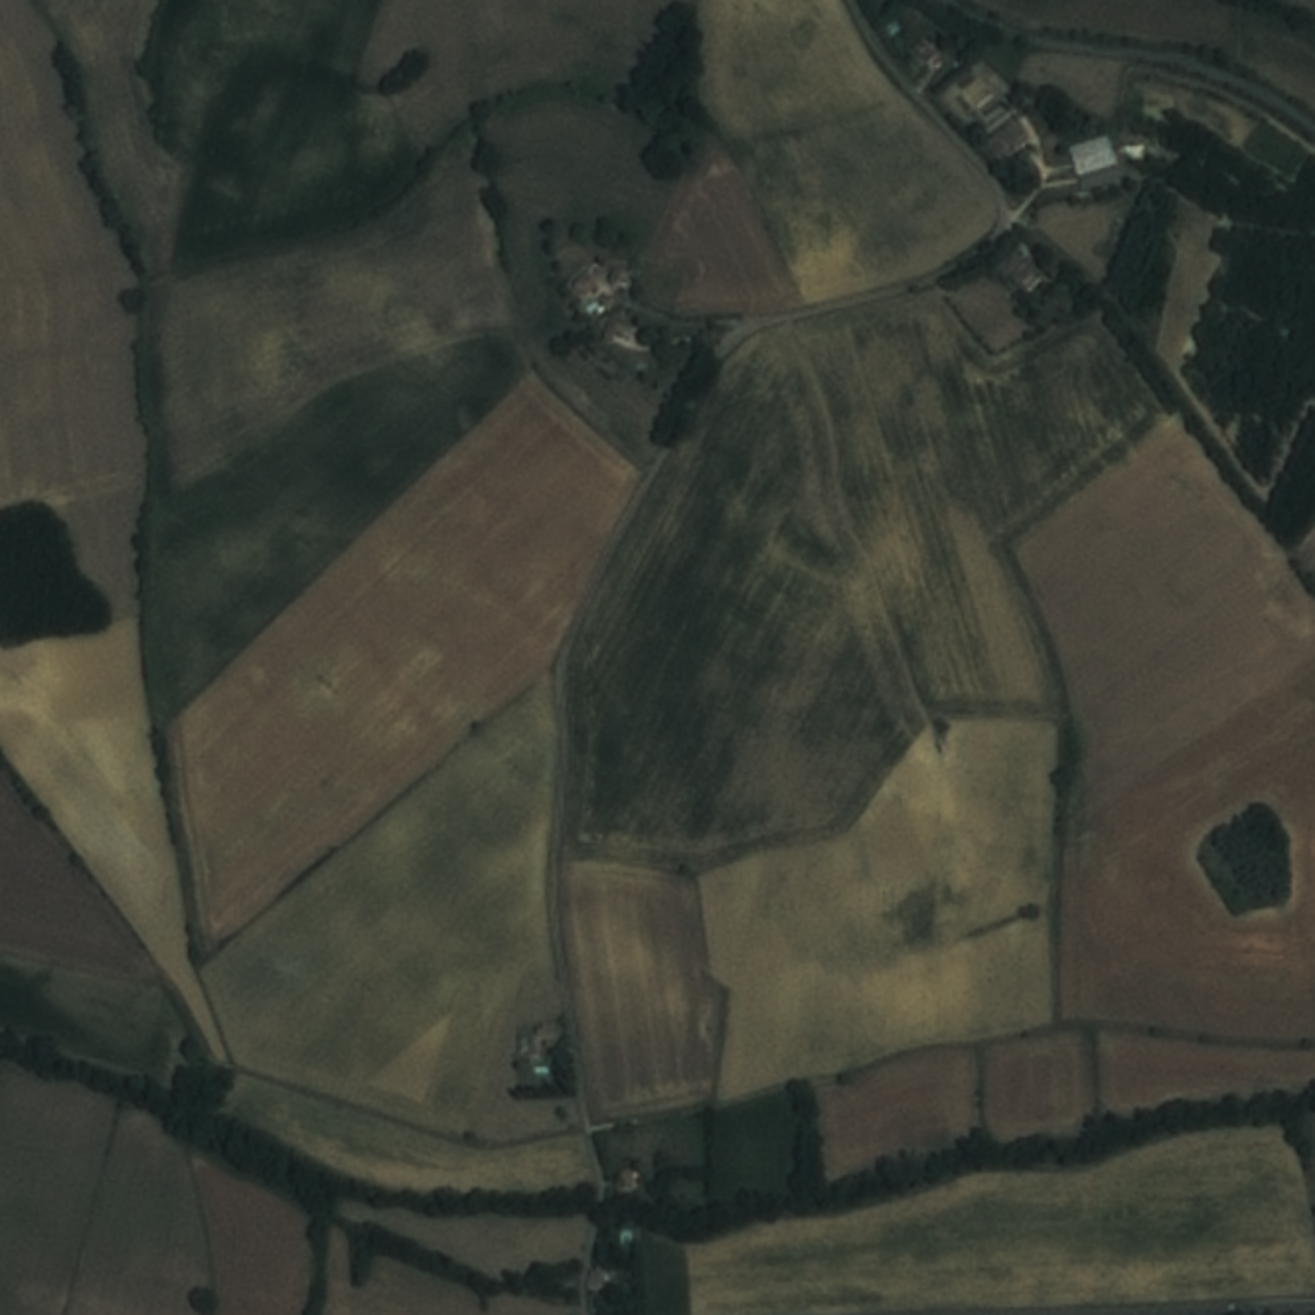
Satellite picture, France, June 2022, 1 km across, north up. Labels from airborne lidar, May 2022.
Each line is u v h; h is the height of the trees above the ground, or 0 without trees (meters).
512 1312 0
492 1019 0
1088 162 0
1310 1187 0
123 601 0
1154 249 13
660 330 8
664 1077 0
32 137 0
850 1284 0
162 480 0
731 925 0
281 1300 0
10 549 15
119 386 0
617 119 0
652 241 0
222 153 0
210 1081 11
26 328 0
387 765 0
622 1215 14
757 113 0
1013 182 13
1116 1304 0
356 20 0
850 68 0
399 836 0
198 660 0
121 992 0
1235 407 9
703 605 0
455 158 0
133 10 0
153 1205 0
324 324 0
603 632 0
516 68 0
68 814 0
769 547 0
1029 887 0
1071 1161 13
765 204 0
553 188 0
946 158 0
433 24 0
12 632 10
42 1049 25
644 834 0
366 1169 0
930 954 0
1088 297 13
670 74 17
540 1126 0
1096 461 0
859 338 0
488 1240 0
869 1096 0
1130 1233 0
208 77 0
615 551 0
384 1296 0
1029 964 0
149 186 0
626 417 0
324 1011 0
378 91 6
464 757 0
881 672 0
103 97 0
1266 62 0
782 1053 0
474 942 0
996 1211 0
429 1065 0
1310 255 15
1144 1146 9
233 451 0
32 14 0
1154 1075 0
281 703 0
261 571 0
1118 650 0
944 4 7
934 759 0
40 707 0
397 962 0
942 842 0
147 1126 0
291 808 0
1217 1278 0
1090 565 0
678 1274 0
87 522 0
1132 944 0
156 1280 0
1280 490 14
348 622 0
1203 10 0
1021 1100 0
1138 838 0
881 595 0
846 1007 0
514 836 0
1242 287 12
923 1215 0
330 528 0
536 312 0
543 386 0
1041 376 0
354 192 0
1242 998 0
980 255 9
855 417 0
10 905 0
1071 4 0
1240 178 10
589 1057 0
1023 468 0
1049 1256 0
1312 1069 0
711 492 0
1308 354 14
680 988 0
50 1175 0
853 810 0
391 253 0
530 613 0
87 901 0
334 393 0
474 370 0
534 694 0
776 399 0
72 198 0
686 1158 0
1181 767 0
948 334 0
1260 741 0
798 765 0
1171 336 0
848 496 0
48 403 0
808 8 0
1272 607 0
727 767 0
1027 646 0
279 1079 0
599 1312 8
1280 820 10
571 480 0
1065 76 0
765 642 0
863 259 0
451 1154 0
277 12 0
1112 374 0
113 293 0
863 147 0
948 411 0
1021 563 0
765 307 0
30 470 0
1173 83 0
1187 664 0
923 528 0
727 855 0
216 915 0
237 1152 19
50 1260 0
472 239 0
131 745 0
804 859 0
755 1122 0
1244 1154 0
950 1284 0
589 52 0
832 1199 13
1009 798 0
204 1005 0
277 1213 0
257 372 0
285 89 0
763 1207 19
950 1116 0
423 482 0
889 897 0
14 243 0
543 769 0
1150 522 0
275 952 0
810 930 0
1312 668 0
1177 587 0
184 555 0
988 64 0
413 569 0
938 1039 0
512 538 0
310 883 0
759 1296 0
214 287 0
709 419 0
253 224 0
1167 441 0
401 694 0
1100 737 0
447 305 0
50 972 0
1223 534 0
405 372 0
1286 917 0
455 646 0
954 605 0
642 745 0
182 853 0
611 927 0
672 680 0
